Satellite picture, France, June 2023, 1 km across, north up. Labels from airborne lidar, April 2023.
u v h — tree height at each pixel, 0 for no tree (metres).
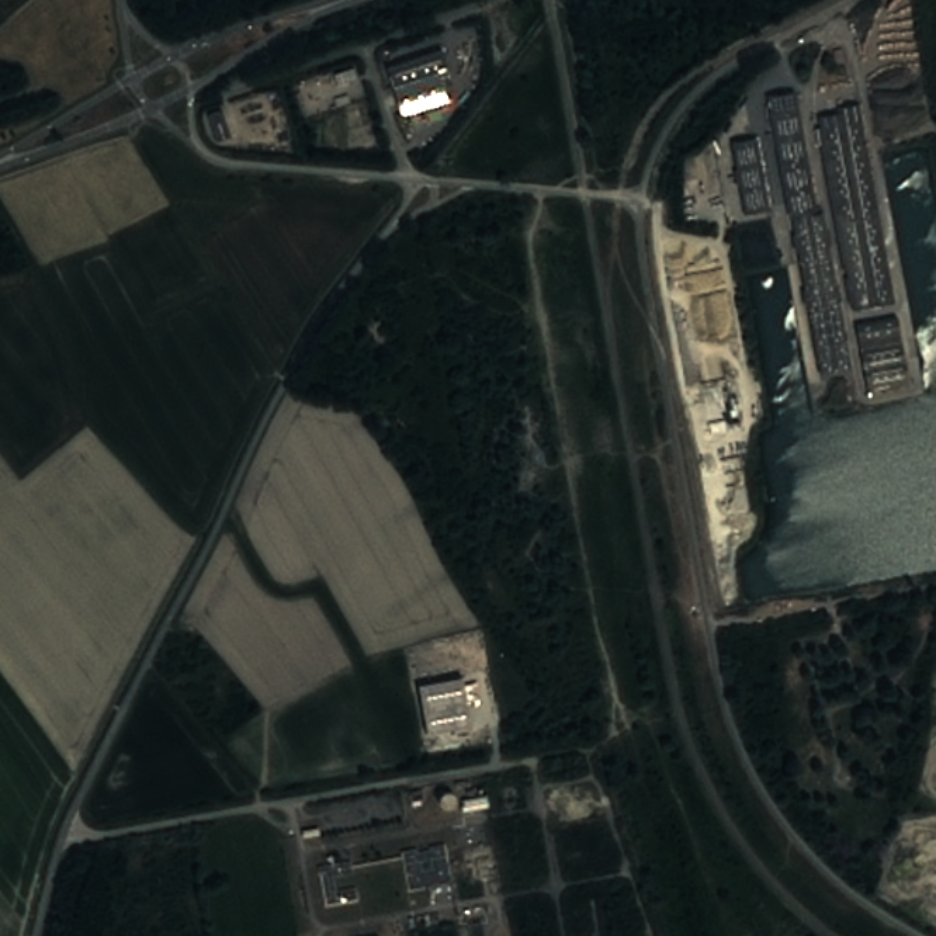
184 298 0
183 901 0
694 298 0
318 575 0
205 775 0
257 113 0
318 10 0
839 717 0
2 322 0
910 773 0
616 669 0
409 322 0
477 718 0
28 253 0
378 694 0
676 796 0
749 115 0
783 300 0
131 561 0
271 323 0
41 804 0
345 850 0
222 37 0
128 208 0
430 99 0
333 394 9
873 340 0
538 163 0
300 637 0
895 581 0
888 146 0
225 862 0
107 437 0
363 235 0
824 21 0
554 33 0
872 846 13
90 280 0
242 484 0
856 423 0
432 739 0
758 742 6
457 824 0
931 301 0
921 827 0
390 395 0
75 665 0
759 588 0
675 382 0
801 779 0
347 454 0
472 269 0
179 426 0
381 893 0
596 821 0
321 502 0
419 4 16
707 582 0
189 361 0
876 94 0
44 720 0
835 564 0
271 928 0
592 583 0
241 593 0
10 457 0
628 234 0
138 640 0
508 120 0
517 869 0
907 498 0
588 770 0
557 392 0
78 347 0
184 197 0
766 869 0
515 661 7
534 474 0
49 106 14
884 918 0
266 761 0
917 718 13
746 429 0
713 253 0
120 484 0
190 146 0
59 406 0
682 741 0
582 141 17
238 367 0
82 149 0
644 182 0
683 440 0
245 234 0
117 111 0
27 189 0
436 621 0
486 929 0
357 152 7
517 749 9
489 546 5
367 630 0
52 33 0
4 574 0
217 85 9
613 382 0
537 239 0
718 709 0
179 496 0
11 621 0
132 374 0
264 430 0
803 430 0
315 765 0
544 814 0
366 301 6
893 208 0
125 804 0
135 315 0
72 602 0
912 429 0
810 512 0
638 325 0
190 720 0
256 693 0
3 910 0
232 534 0
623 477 0
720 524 0
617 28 14
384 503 0
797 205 0
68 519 0
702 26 7
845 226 0
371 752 0
